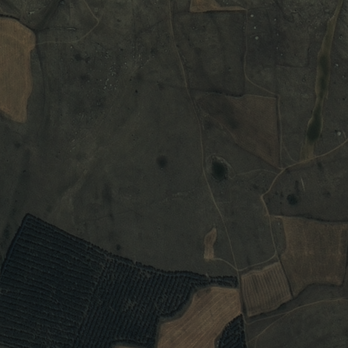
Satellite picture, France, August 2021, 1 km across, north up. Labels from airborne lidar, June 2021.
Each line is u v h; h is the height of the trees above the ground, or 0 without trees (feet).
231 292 0
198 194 0
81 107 0
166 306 33
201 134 0
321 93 0
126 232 0
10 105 0
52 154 0
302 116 0
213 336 0
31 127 0
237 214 0
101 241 0
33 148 0
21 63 0
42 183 0
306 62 0
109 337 46
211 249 0
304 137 0
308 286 0
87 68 0
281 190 0
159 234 0
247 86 0
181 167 0
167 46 0
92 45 0
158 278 29
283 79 0
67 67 0
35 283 42
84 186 0
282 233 0
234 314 0
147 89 0
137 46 0
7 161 0
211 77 0
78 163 0
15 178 0
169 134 0
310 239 0
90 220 0
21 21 0
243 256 0
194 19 0
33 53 0
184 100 0
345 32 0
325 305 0
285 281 0
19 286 40
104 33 0
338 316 0
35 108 0
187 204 0
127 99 0
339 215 0
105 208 0
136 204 0
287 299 0
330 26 0
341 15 0
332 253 0
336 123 0
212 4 0
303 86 0
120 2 0
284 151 0
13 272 47
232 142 0
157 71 0
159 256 0
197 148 0
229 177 0
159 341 0
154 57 0
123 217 0
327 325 0
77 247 38
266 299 0
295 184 0
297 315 0
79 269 39
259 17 0
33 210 0
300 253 0
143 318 36
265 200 0
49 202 0
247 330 0
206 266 0
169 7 0
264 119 0
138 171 0
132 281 39
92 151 0
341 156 0
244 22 0
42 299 39
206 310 0
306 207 0
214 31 0
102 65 0
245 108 0
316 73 0
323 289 0
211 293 0
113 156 0
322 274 0
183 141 0
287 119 0
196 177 0
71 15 0
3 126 0
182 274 37
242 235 0
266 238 0
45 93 0
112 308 39
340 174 0
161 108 0
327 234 0
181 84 0
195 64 0
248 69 0
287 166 0
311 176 0
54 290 38
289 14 0
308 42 0
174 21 0
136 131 0
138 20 0
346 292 0
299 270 0
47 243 45
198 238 0
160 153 0
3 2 0
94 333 46
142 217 0
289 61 0
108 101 0
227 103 0
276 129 0
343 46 0
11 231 0
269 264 0
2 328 41
